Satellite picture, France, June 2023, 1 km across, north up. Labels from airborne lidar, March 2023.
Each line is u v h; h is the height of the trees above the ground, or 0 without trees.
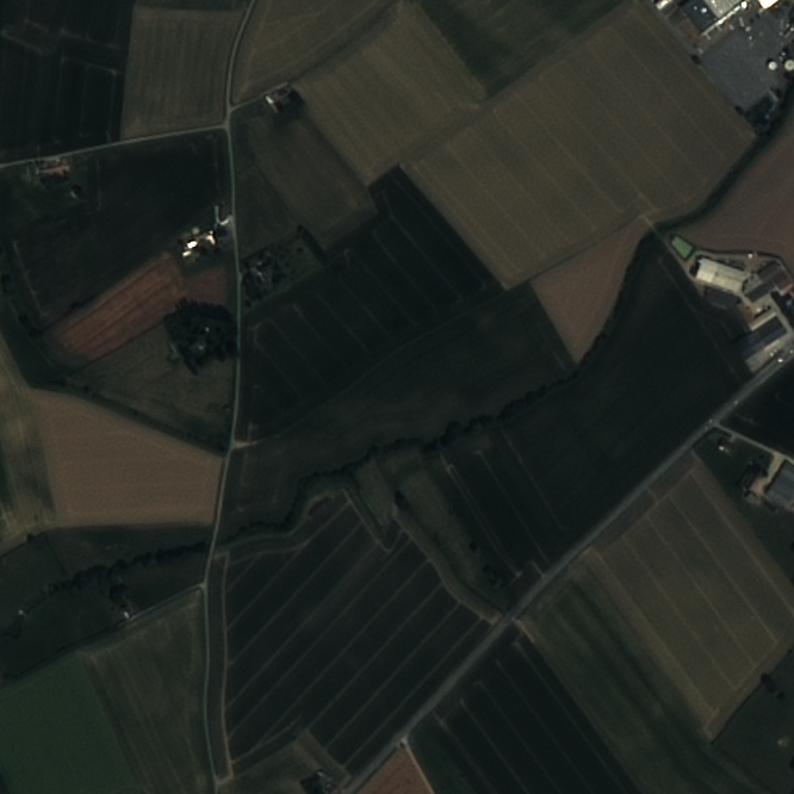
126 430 0
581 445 0
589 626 0
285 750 0
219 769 0
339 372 0
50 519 0
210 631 0
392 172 0
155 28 0
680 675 0
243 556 0
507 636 0
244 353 0
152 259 0
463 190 0
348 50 0
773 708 0
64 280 0
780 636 0
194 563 0
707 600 0
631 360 0
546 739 0
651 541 0
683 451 0
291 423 0
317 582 0
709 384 0
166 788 0
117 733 0
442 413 0
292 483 0
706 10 0
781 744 0
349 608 0
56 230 0
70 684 0
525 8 0
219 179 0
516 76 0
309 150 0
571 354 0
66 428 0
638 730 0
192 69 0
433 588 0
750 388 0
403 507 13
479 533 0
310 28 0
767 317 0
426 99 0
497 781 0
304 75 0
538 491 0
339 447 0
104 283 0
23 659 0
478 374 0
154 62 0
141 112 0
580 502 0
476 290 0
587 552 0
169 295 0
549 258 0
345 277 0
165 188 0
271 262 6
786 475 0
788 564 0
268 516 0
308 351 0
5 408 0
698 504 0
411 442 6
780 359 0
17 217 0
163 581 0
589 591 0
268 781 0
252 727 0
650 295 0
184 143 0
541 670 0
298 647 0
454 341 0
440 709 0
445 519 0
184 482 0
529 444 0
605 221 0
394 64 0
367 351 0
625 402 0
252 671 0
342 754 0
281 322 0
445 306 0
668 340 0
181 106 0
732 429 0
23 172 0
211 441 0
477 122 0
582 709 0
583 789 0
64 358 0
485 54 0
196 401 0
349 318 0
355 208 0
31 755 0
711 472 0
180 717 0
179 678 0
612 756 0
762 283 0
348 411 0
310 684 0
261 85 0
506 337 0
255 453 0
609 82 0
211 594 0
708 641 0
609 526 0
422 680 0
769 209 0
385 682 0
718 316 0
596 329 0
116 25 0
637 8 0
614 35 0
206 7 0
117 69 0
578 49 0
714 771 0
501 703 0
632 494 0
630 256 0
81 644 0
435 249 0
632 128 0
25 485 0
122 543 0
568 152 0
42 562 0
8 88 0
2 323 0
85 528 0
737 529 0
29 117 0
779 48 0
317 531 0
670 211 0
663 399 0
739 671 0
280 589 0
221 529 0
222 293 0
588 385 0
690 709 0
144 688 0
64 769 0
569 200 0
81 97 0
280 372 0
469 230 0
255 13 0
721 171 0
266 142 0
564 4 0
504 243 0
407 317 0
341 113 0
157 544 0
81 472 0
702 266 0
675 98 0
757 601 0
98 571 10
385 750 0
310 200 0
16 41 0
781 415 0
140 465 0
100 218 0
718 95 0
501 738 0
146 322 0
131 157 0
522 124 0
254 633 0
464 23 0
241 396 0
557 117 0
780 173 0
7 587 0
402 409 0
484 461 0
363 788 0
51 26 0
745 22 0
